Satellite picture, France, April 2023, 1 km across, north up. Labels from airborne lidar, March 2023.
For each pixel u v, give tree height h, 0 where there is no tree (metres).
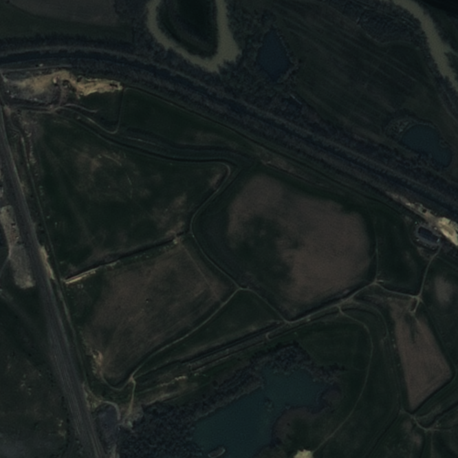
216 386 12
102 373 0
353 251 0
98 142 0
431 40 0
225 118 10
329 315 0
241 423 0
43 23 0
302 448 0
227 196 0
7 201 0
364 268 0
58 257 0
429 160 16
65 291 0
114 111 0
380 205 0
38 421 0
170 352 0
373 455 0
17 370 0
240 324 0
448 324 0
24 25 0
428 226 0
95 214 0
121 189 0
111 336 0
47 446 0
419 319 0
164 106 0
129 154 0
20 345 0
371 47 0
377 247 0
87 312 0
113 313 0
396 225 0
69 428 0
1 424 0
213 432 0
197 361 0
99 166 0
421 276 0
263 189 0
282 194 0
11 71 0
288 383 0
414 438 0
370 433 0
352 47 0
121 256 0
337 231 0
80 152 0
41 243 0
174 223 0
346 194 0
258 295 0
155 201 0
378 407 0
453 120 0
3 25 0
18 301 0
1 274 0
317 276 0
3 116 0
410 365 0
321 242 0
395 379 0
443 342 0
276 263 0
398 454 0
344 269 0
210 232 0
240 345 0
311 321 0
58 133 0
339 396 0
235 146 0
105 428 0
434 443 0
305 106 15
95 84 0
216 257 0
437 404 0
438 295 0
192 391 0
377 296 0
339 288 0
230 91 21
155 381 0
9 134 0
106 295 0
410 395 0
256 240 0
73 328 0
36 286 0
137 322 0
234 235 0
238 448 0
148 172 0
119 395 0
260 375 11
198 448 12
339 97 0
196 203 0
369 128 0
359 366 0
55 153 0
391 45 0
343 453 0
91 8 0
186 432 14
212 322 0
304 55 0
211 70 0
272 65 0
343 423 0
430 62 11
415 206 0
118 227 0
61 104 0
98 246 0
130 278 0
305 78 0
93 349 0
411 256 0
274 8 0
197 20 0
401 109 0
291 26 0
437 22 13
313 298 0
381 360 0
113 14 0
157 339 0
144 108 0
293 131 0
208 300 0
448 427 0
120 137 0
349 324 0
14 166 0
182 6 0
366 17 8
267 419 0
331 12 0
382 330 0
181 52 0
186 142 0
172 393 0
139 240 0
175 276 0
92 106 0
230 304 0
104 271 0
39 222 0
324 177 0
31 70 0
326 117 0
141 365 0
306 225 0
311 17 0
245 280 0
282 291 0
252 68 18
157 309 0
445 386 0
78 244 0
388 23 9
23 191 0
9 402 0
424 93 0
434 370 0
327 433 0
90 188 0
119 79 0
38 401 0
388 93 0
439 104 0
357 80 0
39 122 0
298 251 0
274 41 0
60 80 0
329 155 29
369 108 0
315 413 0
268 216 0
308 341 0
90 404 0
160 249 0
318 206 0
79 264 0
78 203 0
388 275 0
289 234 0
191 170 0
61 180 0
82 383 0
